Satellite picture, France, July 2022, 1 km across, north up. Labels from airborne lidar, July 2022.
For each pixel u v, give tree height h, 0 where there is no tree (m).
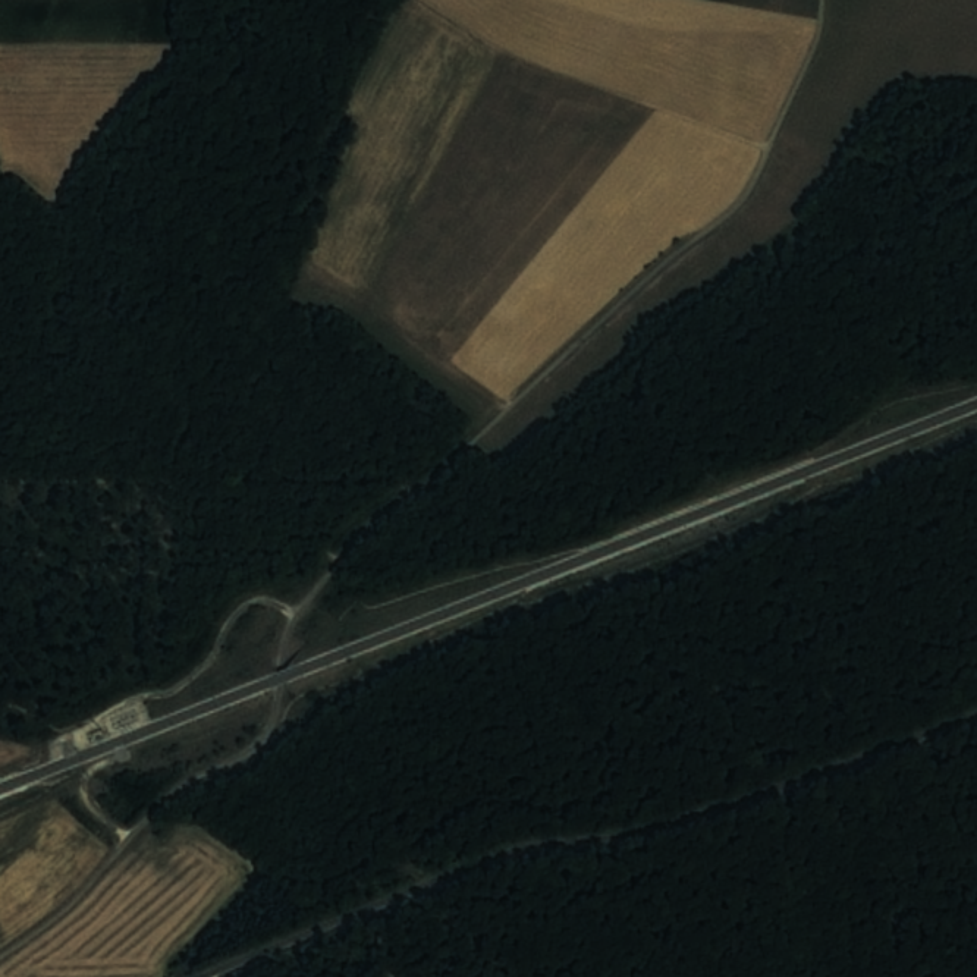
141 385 21
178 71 21
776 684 28
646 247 0
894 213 30
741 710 31
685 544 0
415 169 0
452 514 25
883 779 30
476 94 0
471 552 19
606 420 25
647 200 0
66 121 0
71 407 23
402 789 23
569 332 0
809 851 25
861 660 32
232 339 22
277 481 19
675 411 26
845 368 24
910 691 27
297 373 22
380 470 22
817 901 27
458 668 27
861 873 26
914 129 24
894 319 29
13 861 0
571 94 0
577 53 0
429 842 26
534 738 26
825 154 0
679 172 0
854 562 28
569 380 0
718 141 0
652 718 24
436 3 0
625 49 0
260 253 24
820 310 26
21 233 24
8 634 23
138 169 23
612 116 0
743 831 28
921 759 32
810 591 29
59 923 0
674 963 27
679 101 0
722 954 25
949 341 27
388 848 30
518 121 0
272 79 24
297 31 25
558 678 27
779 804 26
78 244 25
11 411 22
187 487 21
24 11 0
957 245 25
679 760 29
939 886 30
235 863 0
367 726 24
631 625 29
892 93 17
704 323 21
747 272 21
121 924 0
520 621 29
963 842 30
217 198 28
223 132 28
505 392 0
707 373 22
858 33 0
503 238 0
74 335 20
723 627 27
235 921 24
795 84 0
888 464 0
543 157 0
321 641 0
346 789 26
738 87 0
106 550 23
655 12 0
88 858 0
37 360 19
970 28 0
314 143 29
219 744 7
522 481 23
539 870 29
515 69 0
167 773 10
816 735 32
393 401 23
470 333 0
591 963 28
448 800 11
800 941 25
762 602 28
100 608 24
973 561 28
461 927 28
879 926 26
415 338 0
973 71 0
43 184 0
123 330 28
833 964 30
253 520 24
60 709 22
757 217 0
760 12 0
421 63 0
